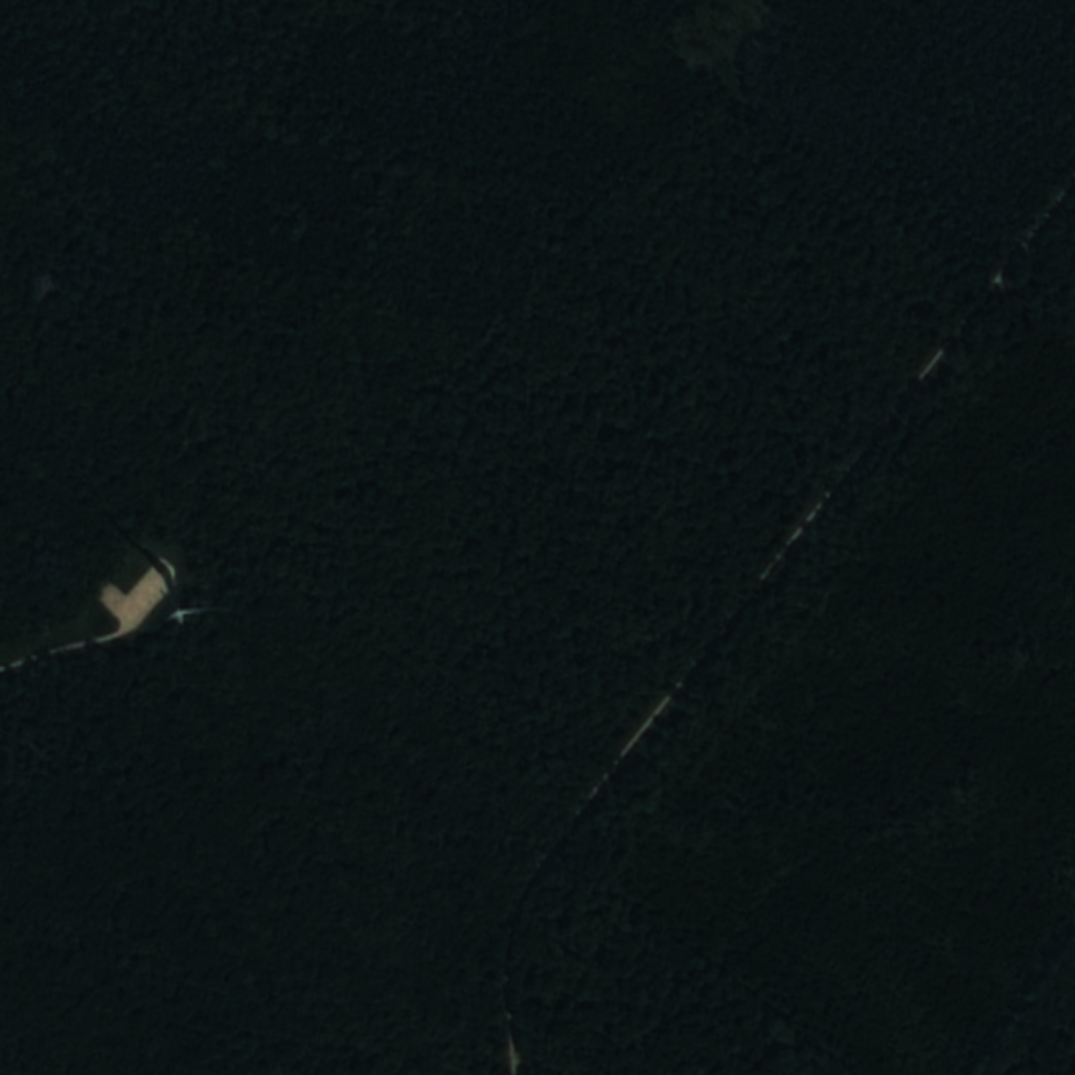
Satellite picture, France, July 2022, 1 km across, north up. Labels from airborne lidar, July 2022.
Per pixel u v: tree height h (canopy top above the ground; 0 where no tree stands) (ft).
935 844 24
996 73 56
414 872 70
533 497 57
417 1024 62
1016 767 26
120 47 60
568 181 45
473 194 46
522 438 54
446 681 54
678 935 22
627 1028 77
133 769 67
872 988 22
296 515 69
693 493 74
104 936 77
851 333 63
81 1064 62
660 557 76
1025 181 46
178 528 58
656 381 70
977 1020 24
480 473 61
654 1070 58
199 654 67
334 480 51
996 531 24
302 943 66
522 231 59
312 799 60
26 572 55
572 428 73
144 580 0
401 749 73
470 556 70
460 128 39
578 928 68
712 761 29
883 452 75
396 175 44
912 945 22
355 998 62
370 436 69
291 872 65
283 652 66
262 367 53
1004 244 41
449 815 64
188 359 55
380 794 71
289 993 57
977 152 55
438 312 51
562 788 66
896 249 61
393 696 67
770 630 64
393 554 62
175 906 59
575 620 63
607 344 59
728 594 68
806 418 63
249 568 70
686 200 60
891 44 39
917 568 27
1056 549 35
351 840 67
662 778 64
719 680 72
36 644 0
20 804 49
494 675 60
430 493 62
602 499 70
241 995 69
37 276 107
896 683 25
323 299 56
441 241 57
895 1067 20
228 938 73
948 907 17
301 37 57
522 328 60
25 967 63
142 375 50
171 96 56
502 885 63
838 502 38
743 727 23
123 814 63
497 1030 80
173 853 65
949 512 30
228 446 66
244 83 56
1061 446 25
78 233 39
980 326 64
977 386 65
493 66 47
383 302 56
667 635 65
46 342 74
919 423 76
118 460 48
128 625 0
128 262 70
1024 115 38
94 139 62
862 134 73
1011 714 25
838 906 27
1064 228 47
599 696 63
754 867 24
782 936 24
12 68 74
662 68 44
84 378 62
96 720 58
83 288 46
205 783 75
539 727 70
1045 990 69
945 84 56
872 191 55
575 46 42
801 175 81
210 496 78
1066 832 25
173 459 56
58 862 61
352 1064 98
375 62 42
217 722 74
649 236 59
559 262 66
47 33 53
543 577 63
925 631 27
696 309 74
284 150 44
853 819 31
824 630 21
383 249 31
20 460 74
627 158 42
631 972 63
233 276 66
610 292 80
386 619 67
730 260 64
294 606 62
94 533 56
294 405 46
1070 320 68
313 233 46
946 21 57
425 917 49
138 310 48
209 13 58
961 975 18
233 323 59
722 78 49
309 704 61
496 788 66
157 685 62
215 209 46
